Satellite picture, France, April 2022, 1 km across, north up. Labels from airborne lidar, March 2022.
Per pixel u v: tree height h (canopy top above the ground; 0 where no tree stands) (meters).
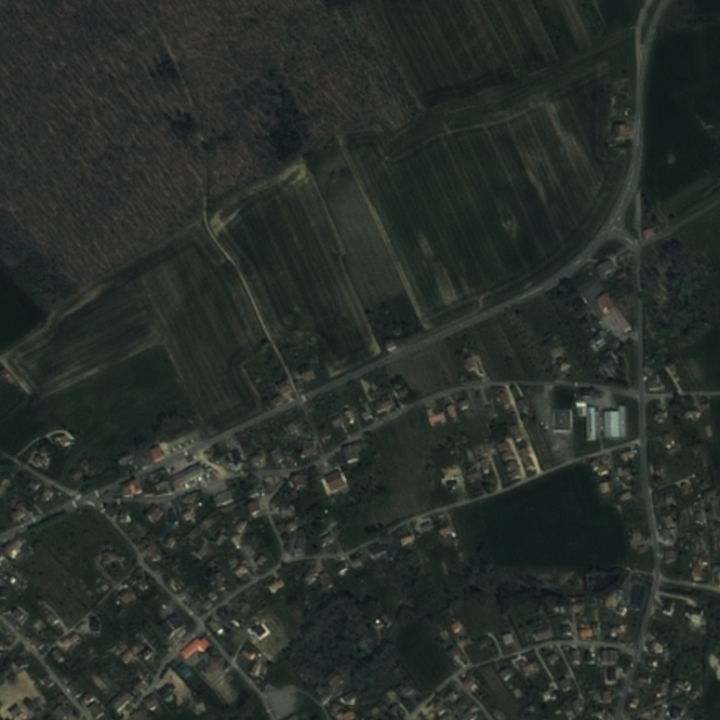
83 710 0
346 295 0
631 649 0
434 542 0
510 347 0
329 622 21
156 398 0
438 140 0
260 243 0
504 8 0
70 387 0
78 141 25
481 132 0
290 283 0
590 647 0
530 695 6
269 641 0
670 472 0
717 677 0
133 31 25
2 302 0
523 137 0
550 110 0
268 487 10
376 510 0
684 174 0
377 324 9
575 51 0
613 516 0
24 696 0
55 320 0
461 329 0
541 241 0
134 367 0
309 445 0
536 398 0
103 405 0
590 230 0
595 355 0
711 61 0
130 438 0
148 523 0
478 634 0
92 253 23
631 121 0
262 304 0
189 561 0
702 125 0
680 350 0
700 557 8
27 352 0
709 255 0
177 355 0
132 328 0
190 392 0
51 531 0
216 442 0
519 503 0
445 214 0
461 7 0
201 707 0
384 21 0
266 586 6
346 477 10
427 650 0
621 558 0
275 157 19
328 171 0
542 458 0
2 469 17
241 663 0
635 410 0
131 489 0
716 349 0
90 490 11
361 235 0
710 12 0
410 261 0
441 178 0
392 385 8
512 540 0
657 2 0
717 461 0
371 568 14
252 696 0
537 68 0
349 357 0
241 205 0
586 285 0
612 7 0
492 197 0
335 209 0
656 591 0
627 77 9
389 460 0
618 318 0
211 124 21
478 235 0
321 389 0
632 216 0
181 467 0
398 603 0
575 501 0
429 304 0
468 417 0
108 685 0
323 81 17
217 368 0
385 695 0
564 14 0
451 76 0
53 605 0
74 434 9
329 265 0
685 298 30
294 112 18
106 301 0
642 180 0
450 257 0
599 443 0
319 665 11
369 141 0
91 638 0
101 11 25
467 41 0
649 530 0
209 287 0
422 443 0
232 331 0
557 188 0
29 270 17
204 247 0
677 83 0
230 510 0
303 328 0
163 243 17
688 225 0
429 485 0
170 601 0
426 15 0
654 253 0
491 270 0
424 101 0
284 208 0
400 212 0
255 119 28
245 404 0
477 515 0
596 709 9
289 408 0
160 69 22
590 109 0
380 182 0
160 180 26
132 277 0
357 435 0
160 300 0
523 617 0
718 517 0
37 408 20
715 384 0
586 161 0
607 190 0
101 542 0
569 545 0
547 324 0
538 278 0
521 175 0
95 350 0
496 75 0
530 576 0
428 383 0
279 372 13
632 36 0
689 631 0
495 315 0
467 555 0
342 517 0
